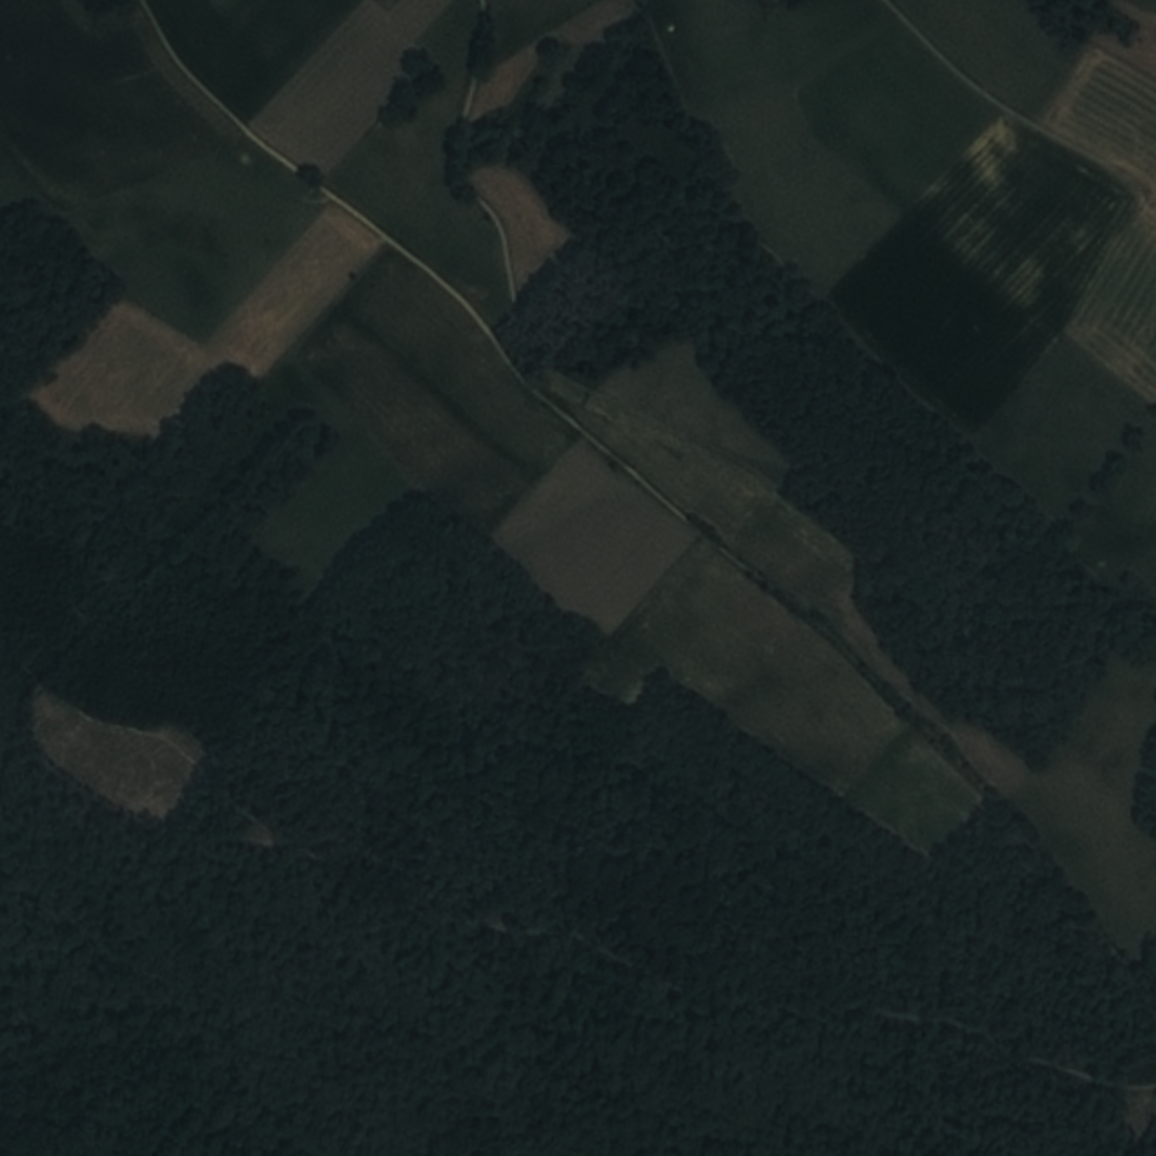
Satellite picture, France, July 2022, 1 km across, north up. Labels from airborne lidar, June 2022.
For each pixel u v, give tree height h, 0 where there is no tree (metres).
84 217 0
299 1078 21
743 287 22
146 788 0
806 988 23
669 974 20
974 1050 21
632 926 27
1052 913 18
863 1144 25
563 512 0
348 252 0
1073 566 6
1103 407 0
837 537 14
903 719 11
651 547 0
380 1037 23
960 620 24
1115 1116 18
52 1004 25
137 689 11
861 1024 24
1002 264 0
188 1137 26
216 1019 24
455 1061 26
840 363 28
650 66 24
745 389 20
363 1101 20
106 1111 27
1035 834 15
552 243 0
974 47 0
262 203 0
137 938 21
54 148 0
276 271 0
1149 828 17
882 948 25
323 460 15
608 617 0
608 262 14
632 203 25
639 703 10
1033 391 0
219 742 18
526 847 26
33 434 20
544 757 27
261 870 20
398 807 23
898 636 21
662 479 0
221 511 15
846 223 0
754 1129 28
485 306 0
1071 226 0
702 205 22
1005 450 0
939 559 21
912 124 0
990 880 20
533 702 14
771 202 0
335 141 0
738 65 0
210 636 11
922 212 0
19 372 21
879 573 21
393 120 15
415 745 33
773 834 27
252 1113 25
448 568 23
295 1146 23
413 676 22
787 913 20
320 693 25
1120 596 9
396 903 18
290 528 0
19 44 0
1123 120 0
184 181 0
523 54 0
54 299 27
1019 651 16
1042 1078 20
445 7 0
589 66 19
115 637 10
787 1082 23
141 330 0
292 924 28
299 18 0
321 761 21
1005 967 24
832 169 0
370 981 27
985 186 0
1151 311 0
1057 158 0
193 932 31
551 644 22
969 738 0
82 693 11
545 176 15
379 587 31
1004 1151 21
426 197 0
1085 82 0
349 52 0
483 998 28
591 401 0
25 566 17
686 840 24
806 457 20
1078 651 20
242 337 0
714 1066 22
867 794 0
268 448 24
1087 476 0
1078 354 0
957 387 0
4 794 16
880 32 0
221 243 0
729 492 0
